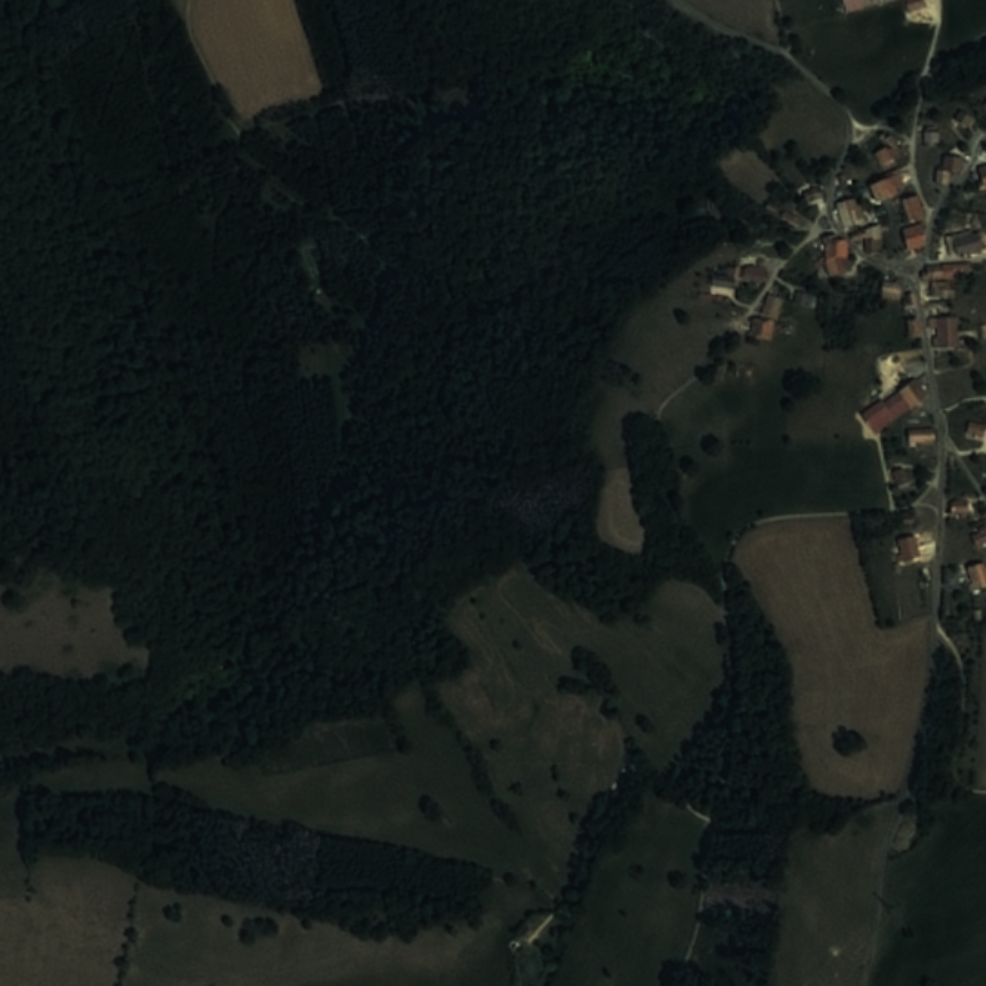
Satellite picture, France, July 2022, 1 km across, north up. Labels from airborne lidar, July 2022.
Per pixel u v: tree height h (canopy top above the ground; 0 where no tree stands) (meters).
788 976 0
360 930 14
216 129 9
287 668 38
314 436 18
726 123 25
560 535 23
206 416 18
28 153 24
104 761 11
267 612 25
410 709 0
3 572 19
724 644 15
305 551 32
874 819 0
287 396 18
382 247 30
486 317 29
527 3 19
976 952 0
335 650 27
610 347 20
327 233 19
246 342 11
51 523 24
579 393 17
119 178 8
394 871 20
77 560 20
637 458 20
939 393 0
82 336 24
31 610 0
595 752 0
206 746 27
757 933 27
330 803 0
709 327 0
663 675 0
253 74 0
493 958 0
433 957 0
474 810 0
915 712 0
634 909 0
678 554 17
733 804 23
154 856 27
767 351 0
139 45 8
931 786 21
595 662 16
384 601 22
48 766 21
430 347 21
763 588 0
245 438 17
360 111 16
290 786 0
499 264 35
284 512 16
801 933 0
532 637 0
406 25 30
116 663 0
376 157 17
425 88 21
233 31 0
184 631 23
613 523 0
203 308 13
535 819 0
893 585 0
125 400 32
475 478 31
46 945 0
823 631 0
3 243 24
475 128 33
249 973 0
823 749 0
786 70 19
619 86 8
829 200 0
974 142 0
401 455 18
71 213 28
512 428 25
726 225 9
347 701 24
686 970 28
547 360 31
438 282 32
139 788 0
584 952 0
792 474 0
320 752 0
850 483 0
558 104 26
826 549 0
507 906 0
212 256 8
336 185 18
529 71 35
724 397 0
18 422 9
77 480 15
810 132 0
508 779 0
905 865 0
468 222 23
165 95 9
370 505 32
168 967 0
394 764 0
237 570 21
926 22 0
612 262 13
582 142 22
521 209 20
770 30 0
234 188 17
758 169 0
